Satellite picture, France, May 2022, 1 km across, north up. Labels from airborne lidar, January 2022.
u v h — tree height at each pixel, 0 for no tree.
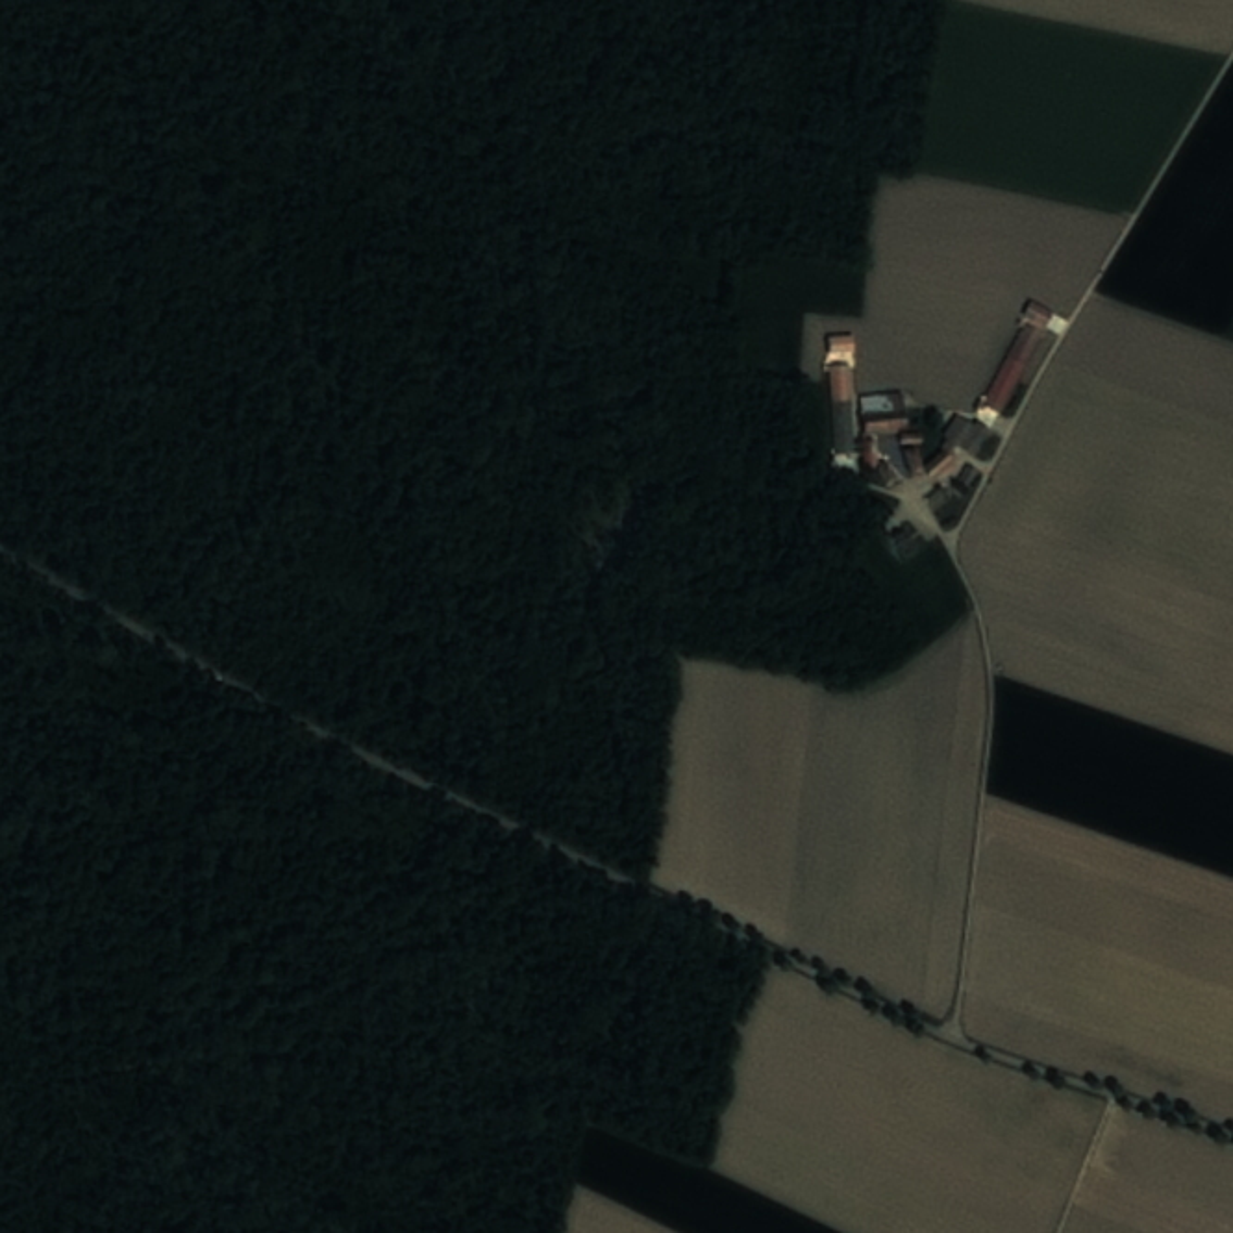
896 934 0
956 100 0
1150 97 0
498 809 9
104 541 23
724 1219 0
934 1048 0
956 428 0
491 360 0
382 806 31
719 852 0
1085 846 0
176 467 24
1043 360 0
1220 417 0
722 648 20
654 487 28
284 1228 24
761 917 0
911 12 21
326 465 26
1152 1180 0
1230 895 0
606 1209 0
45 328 0
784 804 0
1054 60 0
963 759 0
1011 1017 0
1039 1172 0
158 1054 28
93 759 26
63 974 26
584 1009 27
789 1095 0
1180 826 0
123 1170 25
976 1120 0
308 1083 26
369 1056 25
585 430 26
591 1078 29
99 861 23
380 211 0
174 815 28
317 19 26
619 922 27
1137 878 0
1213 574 0
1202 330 0
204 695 10
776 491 24
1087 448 0
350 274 23
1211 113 0
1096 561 0
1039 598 0
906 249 0
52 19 16
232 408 23
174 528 19
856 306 0
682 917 23
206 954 25
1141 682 0
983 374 0
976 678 0
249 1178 19
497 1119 26
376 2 23
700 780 0
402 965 29
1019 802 0
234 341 18
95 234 19
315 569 18
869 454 0
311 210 0
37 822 29
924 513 0
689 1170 0
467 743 25
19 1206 27
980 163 0
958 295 0
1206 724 0
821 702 0
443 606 24
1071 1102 0
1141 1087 0
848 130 24
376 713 24
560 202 22
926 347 0
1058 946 0
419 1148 27
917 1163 0
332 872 29
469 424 26
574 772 27
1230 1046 0
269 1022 20
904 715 0
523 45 24
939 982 0
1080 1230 0
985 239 0
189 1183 30
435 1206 26
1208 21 0
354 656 19
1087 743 0
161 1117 25
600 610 30
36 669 11
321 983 24
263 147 25
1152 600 0
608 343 22
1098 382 0
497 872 31
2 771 24
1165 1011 0
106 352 19
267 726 19
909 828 0
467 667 26
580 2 0
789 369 0
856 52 25
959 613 0
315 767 25
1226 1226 0
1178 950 0
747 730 0
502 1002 27
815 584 20
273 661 20
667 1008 26
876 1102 0
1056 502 0
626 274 17
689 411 20
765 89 24
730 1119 0
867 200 18
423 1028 26
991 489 0
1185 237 0
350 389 27
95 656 32
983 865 0
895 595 0
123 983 23
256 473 26
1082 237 0
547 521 0
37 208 17
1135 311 0
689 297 12
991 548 0
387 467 28
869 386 0
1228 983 0
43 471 11
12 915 26
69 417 19
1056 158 0
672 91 26
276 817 31
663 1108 26
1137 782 0
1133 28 0
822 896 0
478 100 26
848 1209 0
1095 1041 0
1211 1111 0
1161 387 0
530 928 24
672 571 29
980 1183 0
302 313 0
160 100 21
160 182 25
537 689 29
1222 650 0
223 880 27
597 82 27
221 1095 25
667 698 23
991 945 0
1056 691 0
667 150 30
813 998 0
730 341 20
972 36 0
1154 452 0
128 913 23
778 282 0
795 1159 0
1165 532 0
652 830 22
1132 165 0
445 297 0
